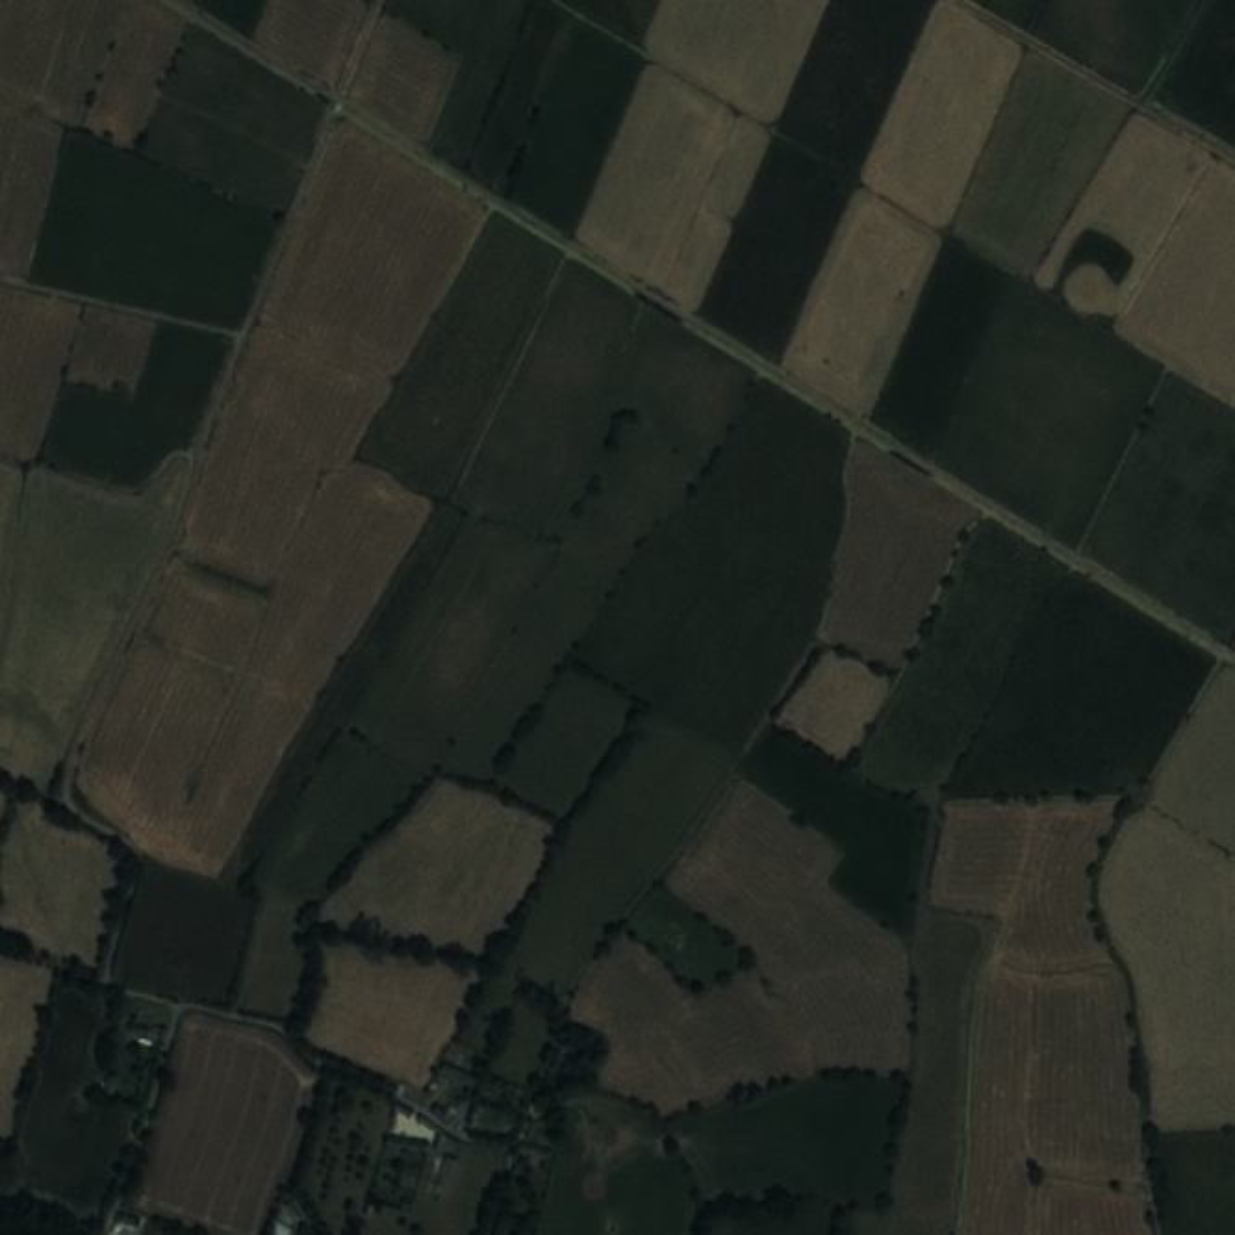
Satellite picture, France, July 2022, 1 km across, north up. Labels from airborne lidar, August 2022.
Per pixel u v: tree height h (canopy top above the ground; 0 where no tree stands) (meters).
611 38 0
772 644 0
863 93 0
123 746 0
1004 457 0
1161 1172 7
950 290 0
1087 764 0
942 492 0
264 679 0
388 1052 0
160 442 0
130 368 0
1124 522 0
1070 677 0
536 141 0
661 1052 0
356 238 0
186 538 0
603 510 0
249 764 0
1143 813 0
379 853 0
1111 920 0
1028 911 0
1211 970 0
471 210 0
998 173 0
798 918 0
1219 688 0
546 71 0
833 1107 0
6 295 0
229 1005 6
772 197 0
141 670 0
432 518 0
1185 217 0
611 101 0
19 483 0
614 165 0
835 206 0
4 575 0
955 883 0
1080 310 0
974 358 0
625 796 0
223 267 0
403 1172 9
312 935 13
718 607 0
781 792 0
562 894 0
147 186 0
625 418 8
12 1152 20
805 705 0
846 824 0
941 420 0
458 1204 0
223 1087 0
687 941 0
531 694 0
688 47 0
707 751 0
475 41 0
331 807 0
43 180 0
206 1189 0
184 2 0
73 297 0
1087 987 0
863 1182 0
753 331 0
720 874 0
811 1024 0
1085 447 0
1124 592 0
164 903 0
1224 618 0
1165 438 0
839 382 0
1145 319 0
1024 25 0
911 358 0
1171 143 0
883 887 0
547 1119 9
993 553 0
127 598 0
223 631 0
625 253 0
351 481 0
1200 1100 0
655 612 0
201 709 0
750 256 0
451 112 0
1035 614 0
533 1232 12
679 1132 0
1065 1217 0
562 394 0
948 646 0
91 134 6
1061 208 0
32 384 0
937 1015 0
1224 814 0
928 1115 0
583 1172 0
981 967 0
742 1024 0
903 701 0
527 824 0
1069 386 0
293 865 0
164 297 0
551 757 0
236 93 0
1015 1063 0
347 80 0
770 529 0
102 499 0
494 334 0
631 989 0
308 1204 11
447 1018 0
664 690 0
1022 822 0
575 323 0
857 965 0
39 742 0
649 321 0
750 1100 15
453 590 0
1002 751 0
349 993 0
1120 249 0
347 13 0
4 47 0
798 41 0
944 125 0
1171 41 0
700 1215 8
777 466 0
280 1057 0
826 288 0
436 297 0
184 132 0
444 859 0
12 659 0
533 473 0
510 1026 22
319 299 0
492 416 0
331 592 0
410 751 0
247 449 0
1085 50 0
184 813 0
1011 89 0
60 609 0
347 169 0
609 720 0
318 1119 12
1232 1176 0
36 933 0
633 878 0
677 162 0
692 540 0
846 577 0
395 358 0
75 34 0
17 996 0
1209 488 0
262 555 0
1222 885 0
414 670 0
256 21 0
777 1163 0
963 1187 0
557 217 0
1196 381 0
